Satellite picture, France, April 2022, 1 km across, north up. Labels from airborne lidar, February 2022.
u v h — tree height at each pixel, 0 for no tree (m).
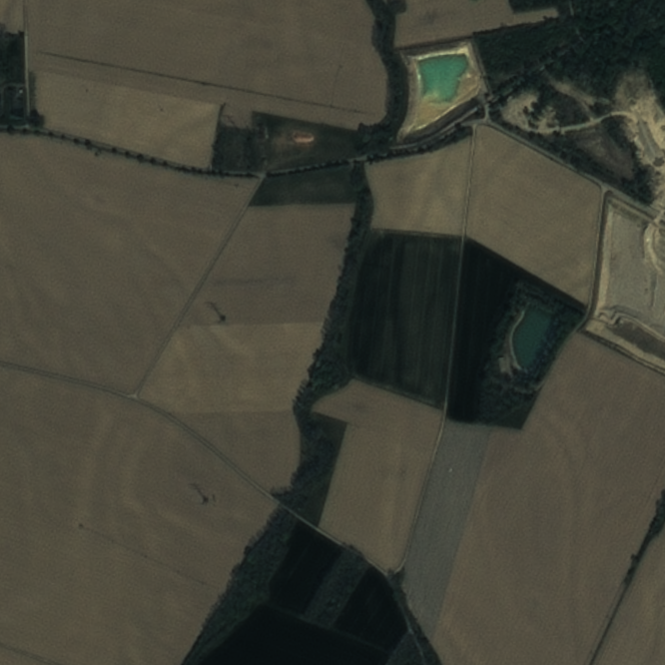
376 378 0
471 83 0
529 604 0
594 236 0
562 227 0
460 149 0
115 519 0
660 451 0
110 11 0
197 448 0
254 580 18
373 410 0
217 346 0
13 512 0
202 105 0
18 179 0
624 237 0
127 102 0
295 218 0
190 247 0
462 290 0
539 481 0
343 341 0
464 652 0
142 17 0
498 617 0
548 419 0
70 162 0
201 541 0
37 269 0
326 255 0
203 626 0
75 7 0
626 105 0
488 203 0
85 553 0
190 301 0
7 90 0
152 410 0
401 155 10
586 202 0
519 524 0
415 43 0
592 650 0
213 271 0
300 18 0
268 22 0
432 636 0
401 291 0
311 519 0
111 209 0
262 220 0
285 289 0
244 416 0
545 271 0
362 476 0
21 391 0
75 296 0
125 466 0
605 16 14
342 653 0
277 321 0
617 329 0
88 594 0
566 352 0
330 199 0
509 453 0
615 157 0
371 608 0
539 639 0
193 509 0
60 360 0
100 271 0
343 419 0
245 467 0
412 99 0
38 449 0
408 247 0
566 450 0
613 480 0
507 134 0
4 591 0
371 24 0
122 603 0
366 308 0
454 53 0
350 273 22
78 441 0
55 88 0
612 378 0
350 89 0
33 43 0
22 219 0
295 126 0
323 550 0
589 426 0
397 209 0
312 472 21
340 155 0
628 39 8
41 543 0
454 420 0
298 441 0
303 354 0
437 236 0
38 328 0
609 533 0
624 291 0
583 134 0
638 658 0
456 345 0
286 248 0
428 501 0
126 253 0
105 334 0
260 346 0
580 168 17
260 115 0
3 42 21
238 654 0
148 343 0
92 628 0
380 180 0
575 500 0
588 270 0
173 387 0
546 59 11
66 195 0
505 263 0
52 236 0
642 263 0
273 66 0
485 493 0
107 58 0
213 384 0
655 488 0
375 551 0
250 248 0
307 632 0
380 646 0
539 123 0
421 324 0
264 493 0
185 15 0
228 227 0
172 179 0
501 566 0
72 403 0
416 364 0
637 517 0
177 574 0
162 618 0
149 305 0
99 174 0
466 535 0
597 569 0
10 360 0
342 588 18
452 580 0
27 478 0
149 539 0
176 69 0
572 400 0
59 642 0
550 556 0
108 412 0
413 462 0
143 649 0
